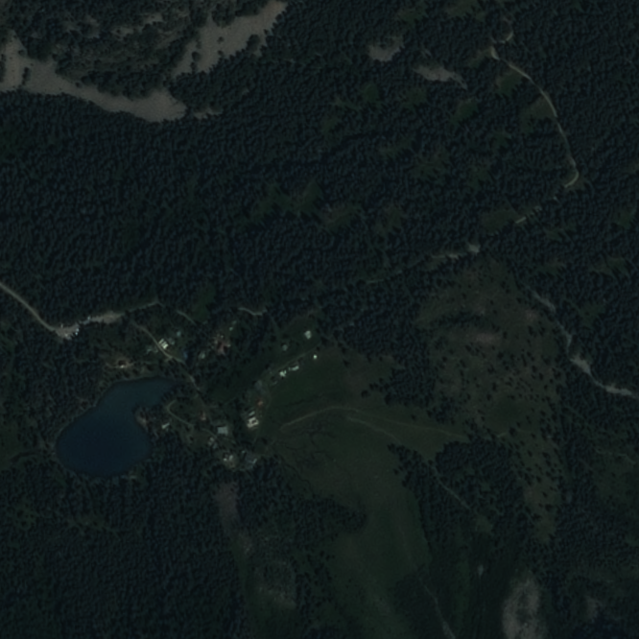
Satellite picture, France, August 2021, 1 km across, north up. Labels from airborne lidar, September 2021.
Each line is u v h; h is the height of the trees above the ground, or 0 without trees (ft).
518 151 67
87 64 19
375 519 0
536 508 0
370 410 0
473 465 40
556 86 71
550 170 27
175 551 82
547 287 90
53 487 46
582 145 63
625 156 47
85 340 55
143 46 61
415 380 37
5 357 79
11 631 28
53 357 48
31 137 22
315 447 0
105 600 45
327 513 33
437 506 27
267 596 0
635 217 0
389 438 0
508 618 0
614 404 50
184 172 21
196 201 21
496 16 80
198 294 65
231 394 0
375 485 0
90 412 0
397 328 54
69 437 0
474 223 60
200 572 48
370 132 50
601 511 36
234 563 42
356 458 0
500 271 0
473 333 0
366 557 0
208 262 28
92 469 0
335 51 28
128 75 42
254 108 66
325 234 66
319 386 0
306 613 22
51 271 78
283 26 57
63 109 69
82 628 43
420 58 87
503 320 0
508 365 38
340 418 0
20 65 0
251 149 86
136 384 0
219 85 85
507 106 79
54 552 36
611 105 73
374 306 59
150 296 43
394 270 36
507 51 65
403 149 0
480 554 19
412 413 0
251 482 31
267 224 0
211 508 55
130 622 37
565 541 33
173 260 76
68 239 73
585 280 73
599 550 38
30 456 0
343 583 0
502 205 78
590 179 30
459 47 77
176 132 56
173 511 77
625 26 64
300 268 82
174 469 78
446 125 80
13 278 82
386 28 63
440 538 31
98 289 73
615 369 46
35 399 71
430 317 0
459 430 0
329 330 64
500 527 45
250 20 0
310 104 79
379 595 0
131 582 46
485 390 0
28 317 69
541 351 0
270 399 0
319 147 52
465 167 77
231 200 87
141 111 0
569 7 80
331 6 91
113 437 0
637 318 83
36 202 86
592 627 25
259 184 80
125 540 45
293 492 86
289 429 0
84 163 77
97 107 62
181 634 40
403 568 0
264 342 66
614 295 81
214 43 0
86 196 74
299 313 63
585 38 76
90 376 66
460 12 0
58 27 80
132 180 21
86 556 39
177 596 36
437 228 65
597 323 34
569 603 100
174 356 0
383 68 79
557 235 0
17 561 51
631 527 21
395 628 0
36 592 29
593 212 70
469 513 39
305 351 0
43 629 30
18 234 81
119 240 73
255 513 19
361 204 26
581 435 29
